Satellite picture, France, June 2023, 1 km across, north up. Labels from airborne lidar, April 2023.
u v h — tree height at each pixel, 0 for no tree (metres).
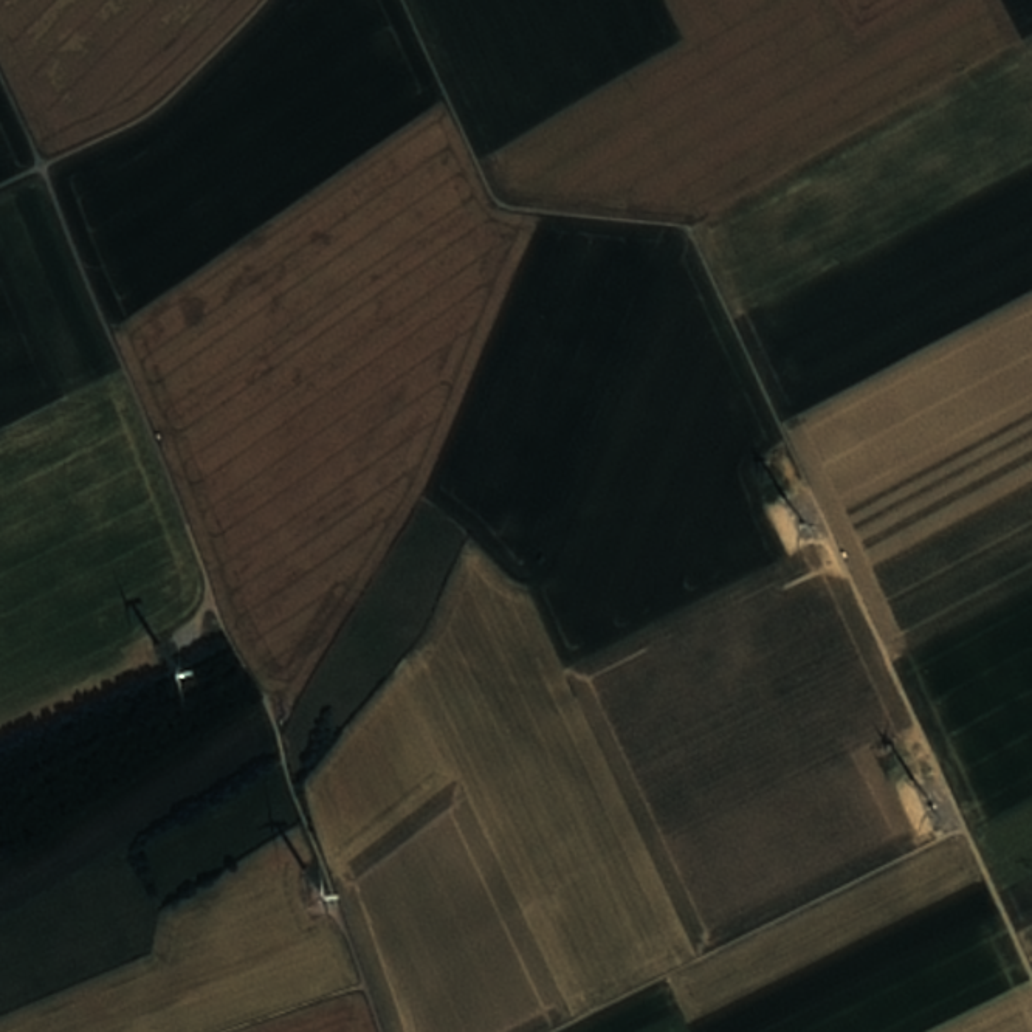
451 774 0
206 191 0
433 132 0
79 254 0
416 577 0
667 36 0
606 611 0
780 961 0
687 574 0
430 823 0
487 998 0
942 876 0
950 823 0
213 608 0
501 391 0
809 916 0
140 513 0
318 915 0
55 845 0
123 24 0
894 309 0
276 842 0
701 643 0
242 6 0
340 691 0
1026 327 0
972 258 0
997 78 0
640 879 0
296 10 0
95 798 11
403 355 0
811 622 0
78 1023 0
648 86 0
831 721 0
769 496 0
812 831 0
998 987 0
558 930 0
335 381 0
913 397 0
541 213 0
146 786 0
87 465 0
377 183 0
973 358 0
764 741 0
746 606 0
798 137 0
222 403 0
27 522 0
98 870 0
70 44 0
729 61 0
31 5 0
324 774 0
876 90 0
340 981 0
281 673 0
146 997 0
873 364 0
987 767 0
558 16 0
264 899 0
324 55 0
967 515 0
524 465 0
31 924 0
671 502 0
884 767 0
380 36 0
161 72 0
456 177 0
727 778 0
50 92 0
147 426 0
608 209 0
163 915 0
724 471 0
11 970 0
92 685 0
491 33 0
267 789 0
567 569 0
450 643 0
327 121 0
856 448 0
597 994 0
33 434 0
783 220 0
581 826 0
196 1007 0
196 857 0
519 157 0
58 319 0
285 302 0
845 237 0
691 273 0
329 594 0
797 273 0
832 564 0
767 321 0
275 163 0
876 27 0
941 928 0
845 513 0
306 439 0
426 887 0
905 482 0
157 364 0
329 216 0
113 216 0
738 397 0
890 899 0
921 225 0
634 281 0
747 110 0
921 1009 0
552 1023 0
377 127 0
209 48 0
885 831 0
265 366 0
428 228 0
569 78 0
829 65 0
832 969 0
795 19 0
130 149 0
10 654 0
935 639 0
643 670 0
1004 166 0
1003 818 0
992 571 0
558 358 0
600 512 0
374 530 0
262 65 0
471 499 0
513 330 0
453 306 0
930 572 0
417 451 0
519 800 0
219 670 8
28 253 0
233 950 0
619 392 0
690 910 0
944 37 0
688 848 0
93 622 0
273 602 0
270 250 0
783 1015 0
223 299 0
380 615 0
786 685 0
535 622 0
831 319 0
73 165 0
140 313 0
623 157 0
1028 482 0
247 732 0
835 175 0
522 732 0
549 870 0
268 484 0
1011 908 0
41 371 0
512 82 0
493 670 0
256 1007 0
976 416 0
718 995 0
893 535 0
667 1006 0
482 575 0
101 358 0
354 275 0
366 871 0
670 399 0
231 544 0
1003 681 0
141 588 0
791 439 0
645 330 0
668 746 0
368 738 0
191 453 0
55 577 0
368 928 0
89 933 0
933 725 0
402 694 0
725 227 0
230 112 0
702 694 0
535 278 0
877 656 0
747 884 0
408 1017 0
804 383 0
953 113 0
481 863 0
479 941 0
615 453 0
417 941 0
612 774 0
